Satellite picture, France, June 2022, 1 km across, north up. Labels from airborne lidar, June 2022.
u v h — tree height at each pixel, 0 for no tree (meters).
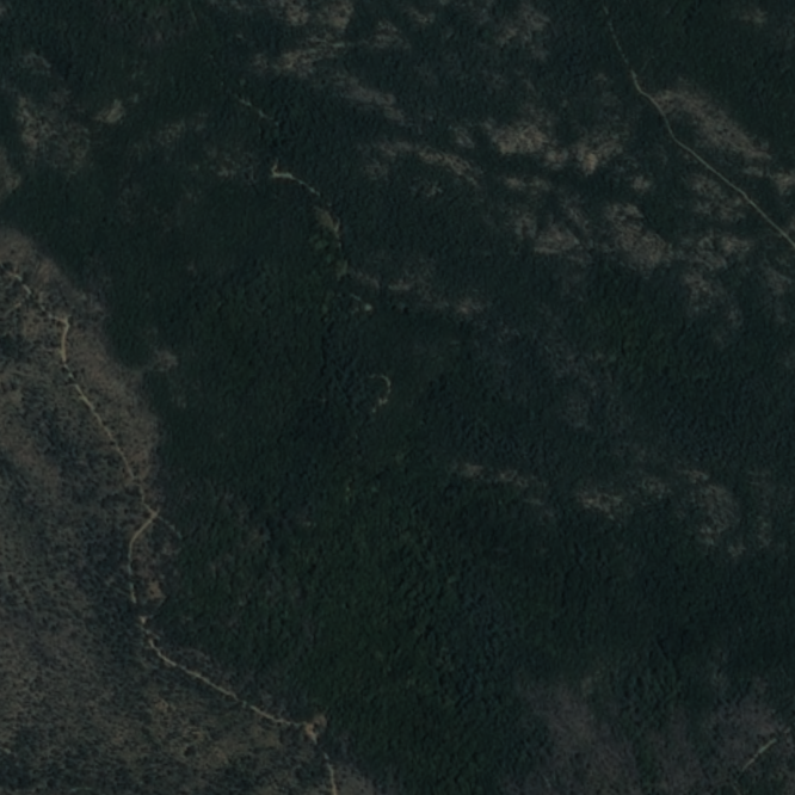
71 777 14
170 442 9
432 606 17
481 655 8
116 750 12
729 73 7
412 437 16
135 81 5
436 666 16
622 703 8
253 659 7
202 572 15
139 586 9
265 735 9
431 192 12
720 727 6
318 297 14
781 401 7
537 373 6
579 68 16
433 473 14
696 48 6
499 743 6
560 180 6
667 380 11
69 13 9
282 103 6
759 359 9
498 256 6
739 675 9
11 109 5
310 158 10
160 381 6
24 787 19
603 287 12
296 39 6
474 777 15
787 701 7
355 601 9
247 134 10
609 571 7
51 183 9
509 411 11
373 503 8
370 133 8
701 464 7
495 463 6
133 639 13
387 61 9
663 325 8
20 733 12
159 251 6
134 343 7
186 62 10
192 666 9
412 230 7
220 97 12
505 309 13
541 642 7
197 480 6
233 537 12
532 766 9
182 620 13
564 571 8
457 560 16
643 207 8
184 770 15
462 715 18
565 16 7
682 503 7
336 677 12
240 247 8
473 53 8
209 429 9
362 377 12
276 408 9
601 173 6
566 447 8
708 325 8
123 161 7
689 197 6
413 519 18
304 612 14
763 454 8
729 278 8
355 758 8
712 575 8
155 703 9
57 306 6
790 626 6
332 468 7
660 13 8
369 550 10
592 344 8
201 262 6
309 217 11
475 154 6
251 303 13
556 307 5
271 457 11
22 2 6
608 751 8
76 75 9
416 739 12
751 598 12
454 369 15
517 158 7
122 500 9
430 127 7
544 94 6
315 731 9
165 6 12
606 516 6
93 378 0
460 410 13
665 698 12
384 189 7
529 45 6
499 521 7
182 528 13
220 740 13
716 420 9
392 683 16
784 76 9
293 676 11
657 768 9
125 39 9
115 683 7
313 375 11
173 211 11
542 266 5
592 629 9
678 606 12
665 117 9
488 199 6
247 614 11
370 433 11
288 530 12
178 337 7
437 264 7
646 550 9
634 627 7
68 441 8
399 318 11
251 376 8
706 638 10
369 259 8
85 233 7
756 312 8
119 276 9
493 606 18
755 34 5
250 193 9
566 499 7
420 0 6
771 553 6
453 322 11
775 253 6
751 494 7
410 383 6
